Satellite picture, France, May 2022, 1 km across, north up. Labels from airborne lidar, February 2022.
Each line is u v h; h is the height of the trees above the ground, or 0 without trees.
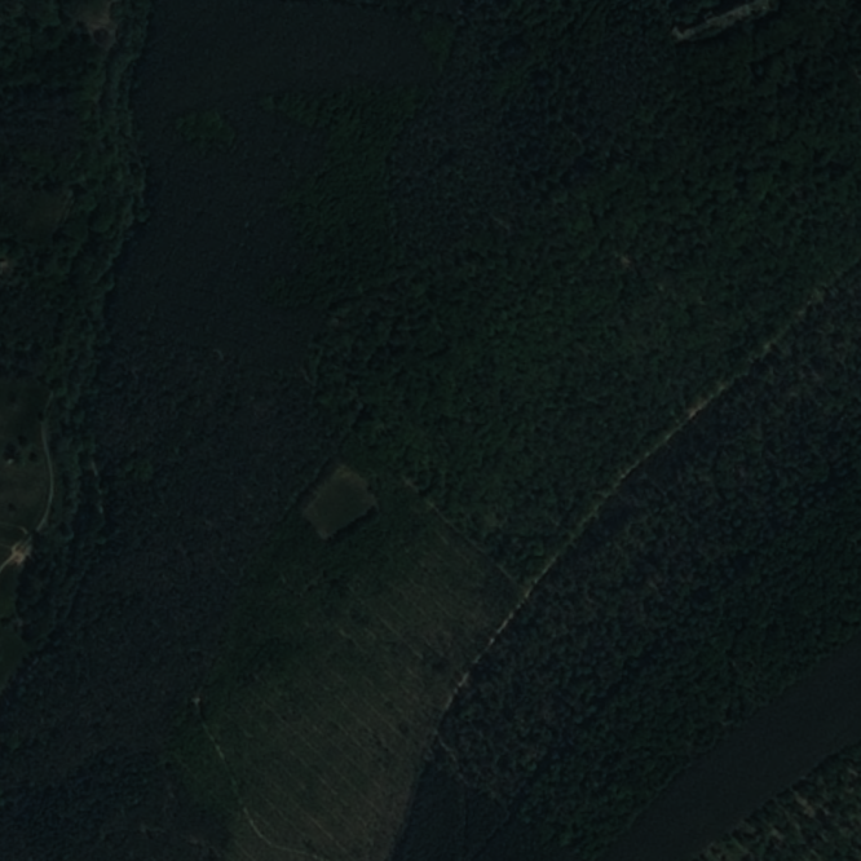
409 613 0
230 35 20
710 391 26
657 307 33
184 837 17
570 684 32
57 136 27
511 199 23
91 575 28
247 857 0
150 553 23
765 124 32
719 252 30
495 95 27
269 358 17
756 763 13
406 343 26
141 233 21
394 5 9
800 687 13
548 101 24
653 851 13
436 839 21
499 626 9
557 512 29
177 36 18
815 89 28
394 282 27
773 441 29
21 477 0
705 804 13
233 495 21
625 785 29
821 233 29
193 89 18
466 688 32
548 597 22
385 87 21
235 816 0
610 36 21
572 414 33
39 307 9
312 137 18
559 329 26
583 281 29
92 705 23
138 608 25
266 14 18
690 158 29
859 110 8
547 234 27
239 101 21
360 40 19
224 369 19
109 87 23
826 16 32
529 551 25
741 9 23
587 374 29
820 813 0
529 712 32
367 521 11
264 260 19
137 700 22
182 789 18
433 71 19
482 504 26
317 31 18
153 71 19
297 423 21
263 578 11
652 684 23
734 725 11
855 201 32
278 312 17
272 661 10
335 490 0
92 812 23
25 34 29
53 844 23
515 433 32
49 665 25
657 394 31
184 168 22
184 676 20
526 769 32
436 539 0
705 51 25
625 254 29
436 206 22
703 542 32
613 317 27
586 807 27
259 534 21
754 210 30
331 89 22
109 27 0
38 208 0
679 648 29
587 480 31
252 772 0
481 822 22
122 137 16
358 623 12
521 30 23
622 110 23
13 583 0
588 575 27
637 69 18
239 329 15
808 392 31
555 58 23
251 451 24
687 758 18
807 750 13
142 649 23
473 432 30
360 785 0
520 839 20
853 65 31
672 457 6
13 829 26
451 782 21
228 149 18
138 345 22
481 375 31
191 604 24
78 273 29
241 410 24
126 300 21
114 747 17
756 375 27
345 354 30
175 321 17
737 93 29
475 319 29
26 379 30
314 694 0
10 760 24
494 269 27
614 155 32
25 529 0
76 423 10
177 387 23
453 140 27
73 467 25
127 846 17
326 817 0
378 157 0
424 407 30
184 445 24
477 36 24
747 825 15
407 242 22
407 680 0
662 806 13
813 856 30
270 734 0
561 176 36
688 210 32
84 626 26
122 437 23
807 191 34
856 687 13
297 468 16
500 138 24
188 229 21
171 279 19
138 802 18
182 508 25
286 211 20
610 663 31
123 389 27
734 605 29
